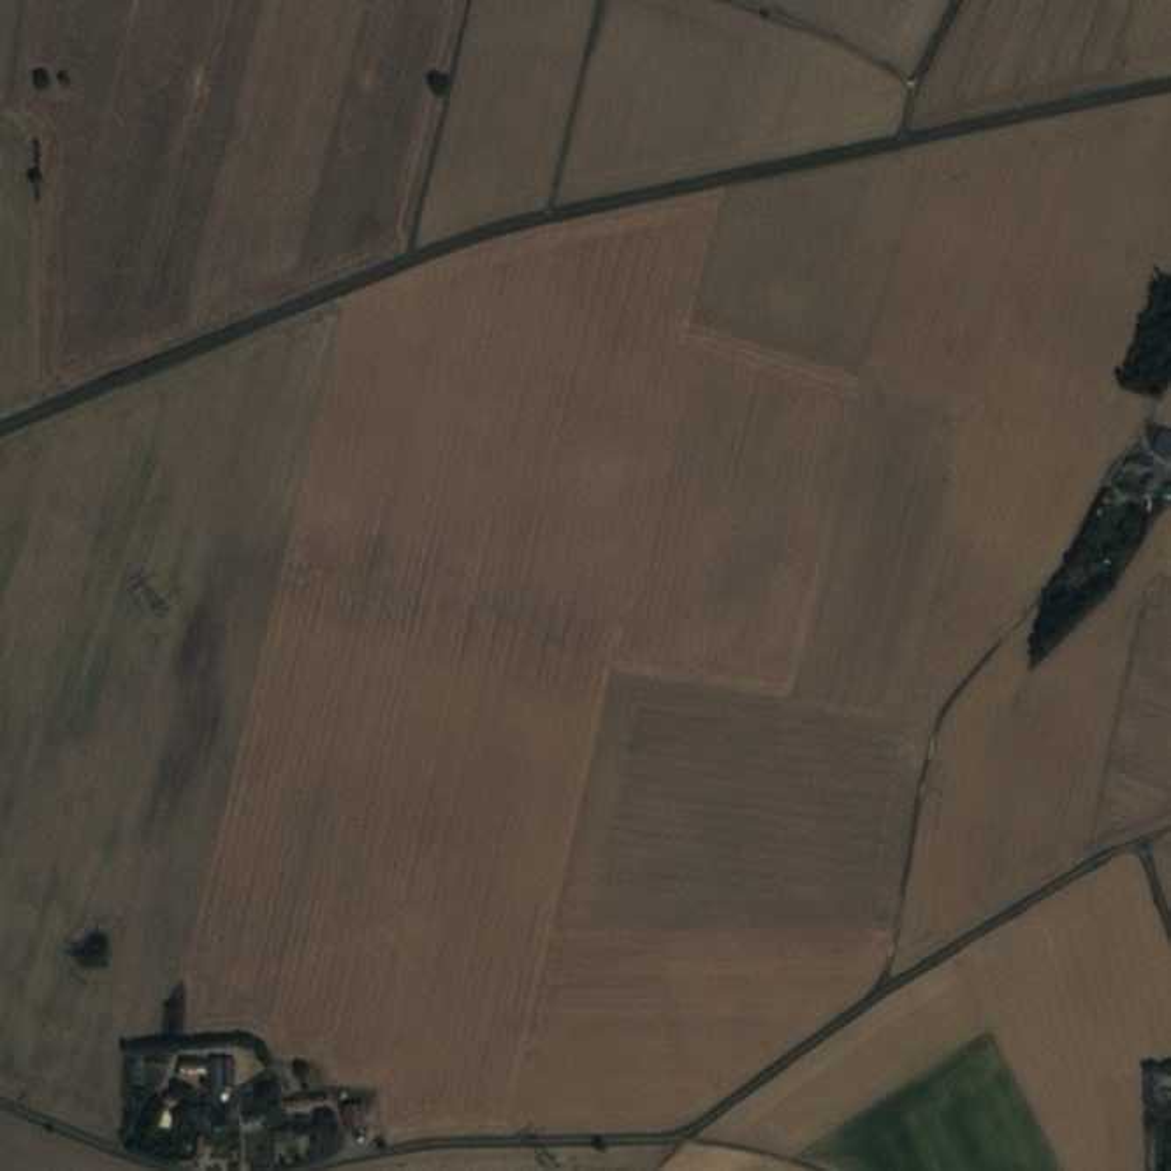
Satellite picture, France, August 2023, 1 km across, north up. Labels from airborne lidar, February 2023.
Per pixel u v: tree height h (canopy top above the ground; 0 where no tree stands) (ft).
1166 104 0
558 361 0
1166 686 0
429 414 0
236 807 0
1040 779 0
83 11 0
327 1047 0
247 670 0
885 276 0
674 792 0
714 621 0
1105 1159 0
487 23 0
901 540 0
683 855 0
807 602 0
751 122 0
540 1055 0
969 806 0
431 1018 0
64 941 0
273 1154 0
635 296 0
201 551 0
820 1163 0
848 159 0
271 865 0
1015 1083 0
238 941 0
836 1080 0
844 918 0
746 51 0
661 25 0
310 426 0
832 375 0
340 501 0
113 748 0
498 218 0
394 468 0
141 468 0
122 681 0
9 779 0
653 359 0
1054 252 0
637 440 0
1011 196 0
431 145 0
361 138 0
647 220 0
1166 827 0
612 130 0
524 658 0
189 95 0
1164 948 0
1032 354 0
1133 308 0
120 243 0
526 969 0
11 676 0
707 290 0
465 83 0
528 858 0
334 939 0
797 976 0
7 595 0
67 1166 0
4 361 0
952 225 0
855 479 0
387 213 0
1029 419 0
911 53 0
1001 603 0
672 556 0
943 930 0
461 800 0
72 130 0
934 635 0
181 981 0
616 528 0
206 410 0
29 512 0
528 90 0
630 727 0
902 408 0
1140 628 0
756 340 0
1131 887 0
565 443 0
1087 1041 0
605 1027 0
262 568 0
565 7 0
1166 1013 0
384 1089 0
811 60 0
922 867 0
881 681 0
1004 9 0
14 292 0
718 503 0
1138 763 0
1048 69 0
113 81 0
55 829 0
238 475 0
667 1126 0
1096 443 0
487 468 0
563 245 0
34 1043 0
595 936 0
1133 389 25
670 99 0
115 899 0
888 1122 0
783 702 0
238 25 0
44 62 0
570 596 0
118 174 0
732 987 0
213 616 0
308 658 0
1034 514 0
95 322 0
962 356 0
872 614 0
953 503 0
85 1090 0
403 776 0
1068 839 0
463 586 0
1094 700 0
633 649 0
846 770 0
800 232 0
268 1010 0
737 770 0
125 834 0
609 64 0
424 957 0
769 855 0
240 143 0
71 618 0
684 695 0
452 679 0
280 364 0
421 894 0
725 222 0
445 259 0
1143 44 0
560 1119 0
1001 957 0
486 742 0
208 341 0
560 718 0
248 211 0
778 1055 0
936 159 0
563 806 0
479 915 0
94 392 0
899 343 0
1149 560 0
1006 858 0
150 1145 28
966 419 0
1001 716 0
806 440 0
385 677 0
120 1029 0
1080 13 0
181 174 0
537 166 0
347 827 0
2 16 0
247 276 0
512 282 0
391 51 0
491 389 0
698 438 0
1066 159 0
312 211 0
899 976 0
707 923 0
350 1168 0
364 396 0
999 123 0
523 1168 0
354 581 0
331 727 0
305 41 0
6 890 0
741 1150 0
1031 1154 0
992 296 0
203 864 0
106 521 0
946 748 0
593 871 0
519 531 0
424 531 0
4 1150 0
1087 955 0
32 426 0
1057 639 39
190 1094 30
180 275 0
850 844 0
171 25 0
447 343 0
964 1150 0
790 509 0
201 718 0
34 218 0
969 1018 0
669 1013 0
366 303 0
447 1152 0
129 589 0
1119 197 0
